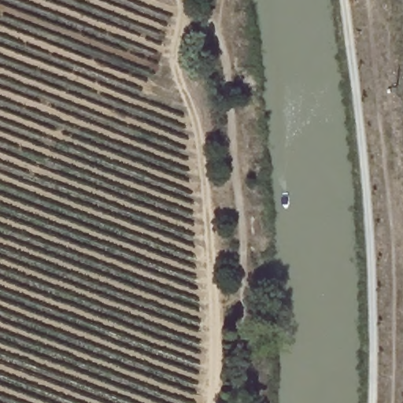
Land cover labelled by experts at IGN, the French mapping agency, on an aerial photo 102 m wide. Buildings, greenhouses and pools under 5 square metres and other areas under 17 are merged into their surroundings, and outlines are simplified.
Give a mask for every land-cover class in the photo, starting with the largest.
<instances>
[{"label":"vineyard","instance_id":"1","mask_svg":"<svg viewBox=\"0 0 403 403\"><path fill-rule=\"evenodd\" d=\"M173 14L167 9L145 3V0H0V403H195L200 372V342L208 337V327L200 326V298L197 296L198 285L195 283V235L192 231L194 197L192 190L187 187L189 157L186 154V145L179 143L181 139H189V134L186 132V124L183 123V99L173 82L167 58L161 57V52L153 47L126 38L128 33H134L145 36L151 43L162 44L165 41V31L159 28L172 22Z\"/></svg>","mask_w":403,"mask_h":403},{"label":"water","instance_id":"2","mask_svg":"<svg viewBox=\"0 0 403 403\"><path fill-rule=\"evenodd\" d=\"M257 5V28H260L261 35L260 58L263 60L261 66L264 68L263 77L266 79L263 82V98L266 101V109L271 112L268 146L272 159V187L277 211L274 220L277 249L275 258L288 266L285 287L293 291V318L298 324L296 342L291 345L290 354L280 359L279 403H357L356 364L359 343L356 334L354 225L351 219L353 189L346 161L348 150L343 129L345 116L340 105L342 99L338 93V72L329 0H253Z\"/></svg>","mask_w":403,"mask_h":403},{"label":"deciduous trees","instance_id":"3","mask_svg":"<svg viewBox=\"0 0 403 403\"><path fill-rule=\"evenodd\" d=\"M184 13L189 17L190 24L184 28L181 36L178 63L187 79L197 82L205 80L209 115L213 123V131L206 134L203 146L209 183L213 186H222L230 179L233 170L230 140L227 135L228 110L233 109L250 104L257 112V118L250 120L246 128L250 134L249 156L260 164V172L247 173L246 181V183L249 187H257L258 192L263 195L261 220L268 238L266 249L247 255L249 264L242 268L239 263L238 211L233 208H217L214 211V231L227 244V249L217 253L213 274L214 283L222 293L220 304L225 312L220 372L222 387L216 395V403H279L280 359L290 354L291 345L296 342L298 324L293 318V291L285 287L288 266L275 258L277 249L274 220L277 211L272 187V159L268 146L271 112L266 109V101L263 98V82L266 79L263 77L264 68L261 66L263 60L260 58L261 35L260 28H257V5L253 0H239L235 5V13H246V25L242 33L244 39L249 41L246 61H242L241 68H246L257 82L250 87L241 76L233 77L230 82L225 80L220 61L219 41L214 33V25L209 24V17L216 8V0H183ZM338 72V93L342 99L340 105L345 116L343 129L348 150L346 161L353 189L351 219L354 225L356 334L359 343L356 364L357 403H368L370 342L364 205L340 0H329Z\"/></svg>","mask_w":403,"mask_h":403},{"label":"herbaceous vegetation","instance_id":"4","mask_svg":"<svg viewBox=\"0 0 403 403\"><path fill-rule=\"evenodd\" d=\"M239 0H216V8L209 17V24L214 25V33L219 41L220 61L225 80L230 82L233 77L241 76L250 87L257 82L246 68H241L242 61H246L249 41L244 39L242 33L246 25V13H235V5ZM356 44L360 99L364 113L375 231L378 312L376 403H403V0H349ZM236 113L239 176L246 181L247 173L260 172V164L249 156L250 134L246 128L250 120L257 118V112L250 104L233 109ZM244 209L247 216L255 217V233L247 235V255L266 249L268 238L261 220L263 195L258 192L257 187H249L246 183L242 184Z\"/></svg>","mask_w":403,"mask_h":403},{"label":"plowed land","instance_id":"5","mask_svg":"<svg viewBox=\"0 0 403 403\"><path fill-rule=\"evenodd\" d=\"M145 3L167 9L173 14L172 22L159 28L165 31V41L162 44L151 43L145 36L134 33H128L126 38L153 47L161 52V57L167 58L173 82L183 99V123L186 124V132L189 134V139H181L179 143L186 145V154L189 157L187 187L192 190L194 197L192 231L195 235V283L198 285L197 296L200 298V326L208 327V337L200 342V372L195 403H216V395L222 387L220 372L225 312L220 304L222 293L214 283L213 274L217 253L227 249V244L214 231V211L217 208H233L238 211L239 263L242 268L249 264L247 255V235L255 233V217L247 216L244 209L242 184L246 183V181L239 176L236 113L233 109L228 110L227 135L230 140L233 170L230 179L222 186H213L209 183L203 146L206 134L213 131V123L209 115L205 80L197 82L187 79L178 63L181 36L184 28L190 24L189 17L184 13L183 0H145Z\"/></svg>","mask_w":403,"mask_h":403},{"label":"pervious surface","instance_id":"6","mask_svg":"<svg viewBox=\"0 0 403 403\"><path fill-rule=\"evenodd\" d=\"M364 205L370 342L368 403H376L378 312L375 231L364 113L360 99L356 44L349 0H340Z\"/></svg>","mask_w":403,"mask_h":403}]
</instances>
